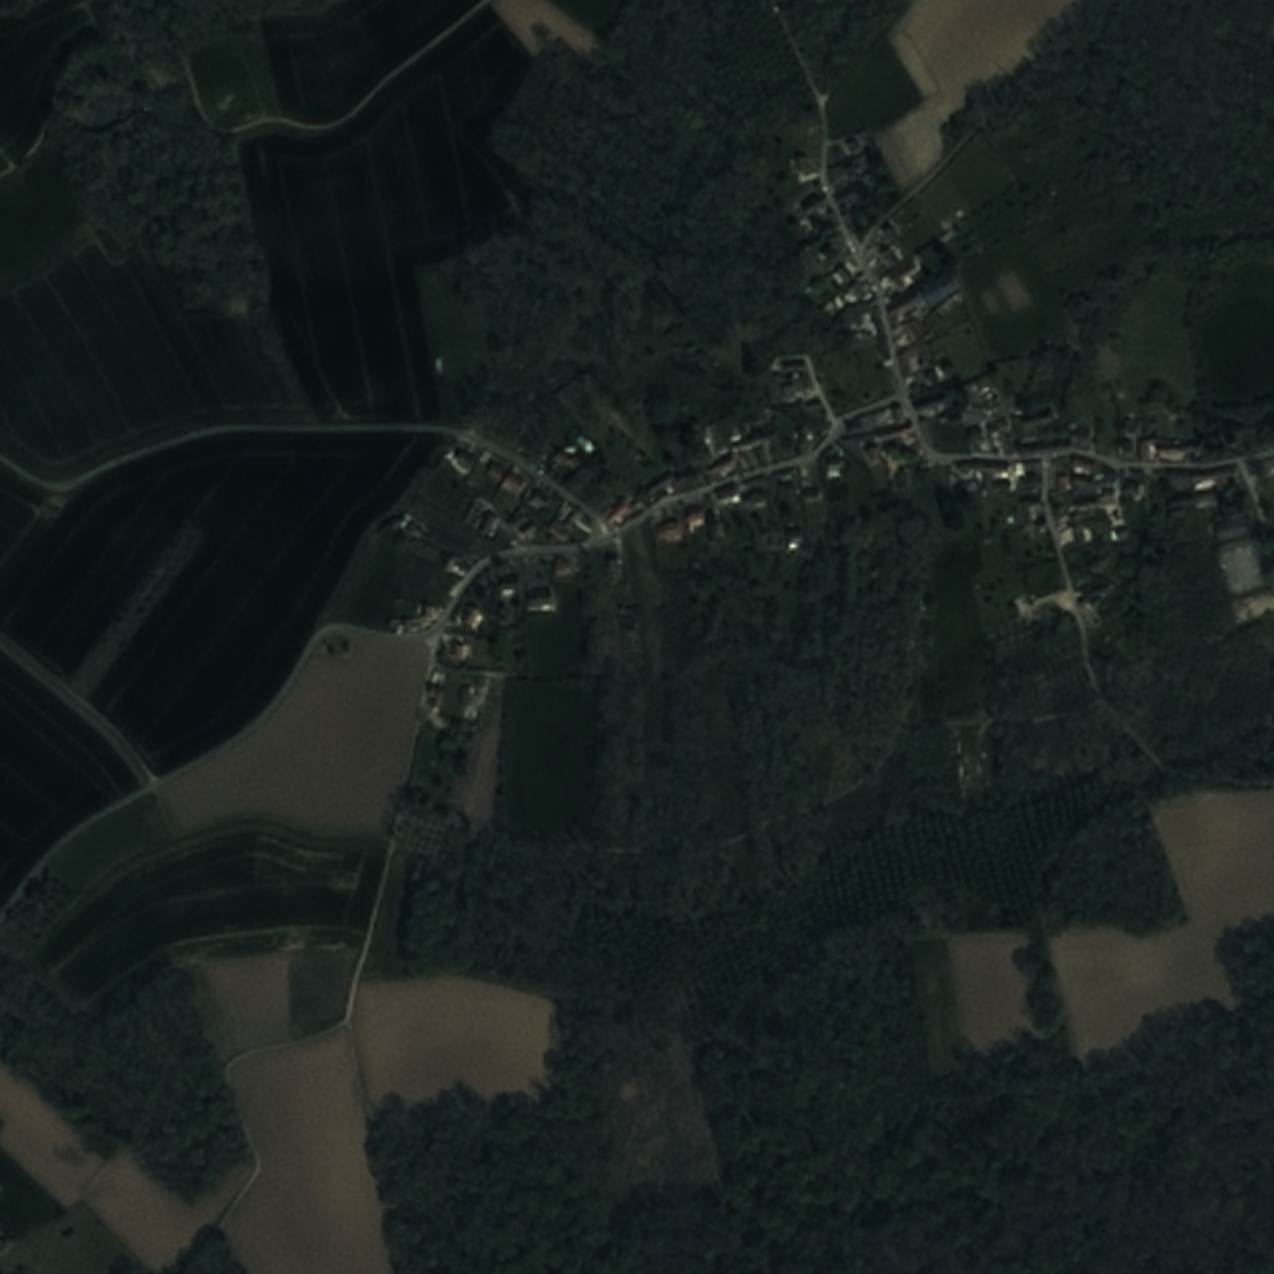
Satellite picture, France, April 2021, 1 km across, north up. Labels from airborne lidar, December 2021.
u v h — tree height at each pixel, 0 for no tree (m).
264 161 0
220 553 0
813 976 30
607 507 15
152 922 0
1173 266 15
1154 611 9
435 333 0
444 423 0
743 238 16
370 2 0
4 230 0
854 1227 24
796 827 38
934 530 26
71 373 0
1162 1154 16
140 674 0
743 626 20
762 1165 22
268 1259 0
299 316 0
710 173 32
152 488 0
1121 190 8
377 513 0
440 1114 18
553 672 0
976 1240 17
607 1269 38
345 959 0
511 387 6
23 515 0
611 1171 22
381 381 0
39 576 0
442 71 0
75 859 0
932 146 0
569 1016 20
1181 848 0
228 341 0
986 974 0
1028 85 22
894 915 27
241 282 26
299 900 0
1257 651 6
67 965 0
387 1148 23
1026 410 13
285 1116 0
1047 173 0
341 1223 0
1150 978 0
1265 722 8
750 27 22
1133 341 0
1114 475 9
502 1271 23
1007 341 0
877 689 30
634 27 17
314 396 0
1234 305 0
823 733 36
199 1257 14
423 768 0
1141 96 14
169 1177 12
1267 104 15
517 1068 0
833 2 11
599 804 23
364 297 0
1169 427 0
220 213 22
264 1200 0
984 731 0
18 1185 0
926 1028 15
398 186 0
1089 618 0
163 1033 23
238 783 0
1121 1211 31
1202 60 22
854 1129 30
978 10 0
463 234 0
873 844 15
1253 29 19
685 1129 0
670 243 25
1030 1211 30
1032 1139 23
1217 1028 21
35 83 0
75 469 0
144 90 17
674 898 37
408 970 7
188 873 0
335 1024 0
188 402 0
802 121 25
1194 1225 30
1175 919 21
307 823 0
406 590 0
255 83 0
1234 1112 30
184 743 0
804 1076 35
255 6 19
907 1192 29
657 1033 8
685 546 6
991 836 10
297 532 0
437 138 0
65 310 0
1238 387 0
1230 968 18
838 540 19
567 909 25
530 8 0
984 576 0
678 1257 33
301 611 0
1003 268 0
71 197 0
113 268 0
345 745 0
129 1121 30
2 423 0
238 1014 0
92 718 0
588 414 24
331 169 0
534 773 0
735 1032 30
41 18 0
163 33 28
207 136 23
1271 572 29
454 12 0
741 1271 27
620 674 21
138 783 0
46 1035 18
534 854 18
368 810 0
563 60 19
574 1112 23
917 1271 22
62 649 0
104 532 0
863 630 26
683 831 21
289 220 0
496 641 10
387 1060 0
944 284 0
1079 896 19
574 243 10
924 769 10
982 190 0
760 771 34
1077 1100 16
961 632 0
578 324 28
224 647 0
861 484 0
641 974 19
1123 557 8
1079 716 39
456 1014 0
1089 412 0
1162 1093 29
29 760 0
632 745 26
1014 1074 23
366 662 0
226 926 0
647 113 24
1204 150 17
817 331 14
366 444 0
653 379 0
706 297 31
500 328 25
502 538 0
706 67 8
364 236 0
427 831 24
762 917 17
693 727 30
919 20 0
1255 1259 20
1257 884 0
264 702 0
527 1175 29
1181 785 18
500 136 22
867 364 0
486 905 21
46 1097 18
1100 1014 0
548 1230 25
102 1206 0
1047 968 13
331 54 0
